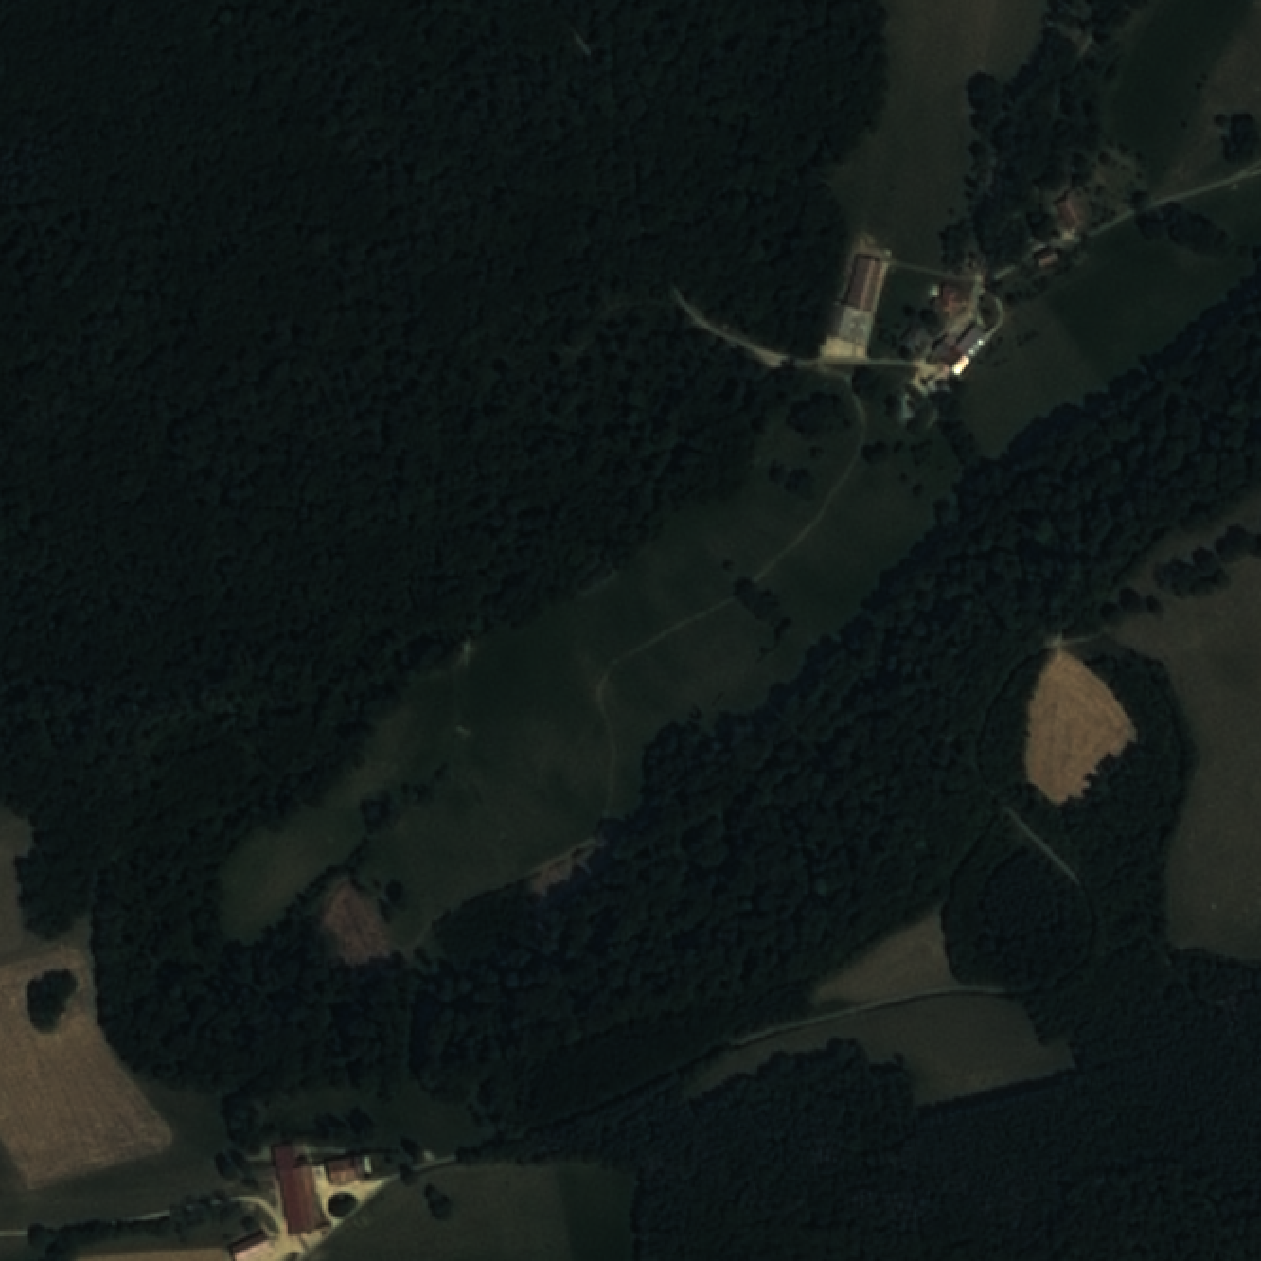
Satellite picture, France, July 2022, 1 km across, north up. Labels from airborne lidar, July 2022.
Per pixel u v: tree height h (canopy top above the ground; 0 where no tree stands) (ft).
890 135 0
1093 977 46
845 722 115
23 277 72
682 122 73
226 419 63
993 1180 49
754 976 83
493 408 37
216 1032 104
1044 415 0
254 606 99
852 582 0
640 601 0
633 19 93
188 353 68
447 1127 0
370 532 82
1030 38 0
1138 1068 57
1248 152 78
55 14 72
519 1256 0
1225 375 90
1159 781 42
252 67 76
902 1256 74
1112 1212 78
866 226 0
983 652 73
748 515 0
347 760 86
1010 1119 60
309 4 21
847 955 40
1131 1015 46
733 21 73
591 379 80
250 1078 85
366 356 79
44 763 71
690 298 80
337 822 0
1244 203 0
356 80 60
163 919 68
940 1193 52
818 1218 43
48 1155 0
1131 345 0
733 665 0
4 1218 0
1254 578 0
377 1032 101
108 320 75
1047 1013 41
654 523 53
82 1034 0
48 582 88
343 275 37
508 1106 78
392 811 79
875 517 0
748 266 58
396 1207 0
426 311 58
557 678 0
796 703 88
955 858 39
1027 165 86
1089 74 59
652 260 67
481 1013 119
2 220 49
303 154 51
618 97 63
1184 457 85
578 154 47
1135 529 78
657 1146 57
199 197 54
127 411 63
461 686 0
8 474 76
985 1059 0
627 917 124
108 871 68
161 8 75
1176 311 0
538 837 0
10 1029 0
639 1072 45
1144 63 0
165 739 21
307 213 57
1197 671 0
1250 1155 54
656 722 0
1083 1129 54
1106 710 0
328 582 85
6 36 77
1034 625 60
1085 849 31
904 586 76
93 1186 0
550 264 54
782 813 21
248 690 40
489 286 72
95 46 76
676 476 88
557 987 113
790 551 0
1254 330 98
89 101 81
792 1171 54
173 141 81
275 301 64
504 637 0
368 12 50
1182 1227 80
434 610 69
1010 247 58
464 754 0
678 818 94
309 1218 0
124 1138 0
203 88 89
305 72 72
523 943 21
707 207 78
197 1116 0
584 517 86
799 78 72
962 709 54
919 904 47
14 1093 0
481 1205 0
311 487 93
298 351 74
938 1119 65
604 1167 46
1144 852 47
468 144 68
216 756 73
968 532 68
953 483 0
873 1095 64
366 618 72
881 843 94
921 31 0
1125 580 33
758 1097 34
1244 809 0
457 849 0
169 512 82
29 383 69
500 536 90
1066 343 0
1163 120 0
